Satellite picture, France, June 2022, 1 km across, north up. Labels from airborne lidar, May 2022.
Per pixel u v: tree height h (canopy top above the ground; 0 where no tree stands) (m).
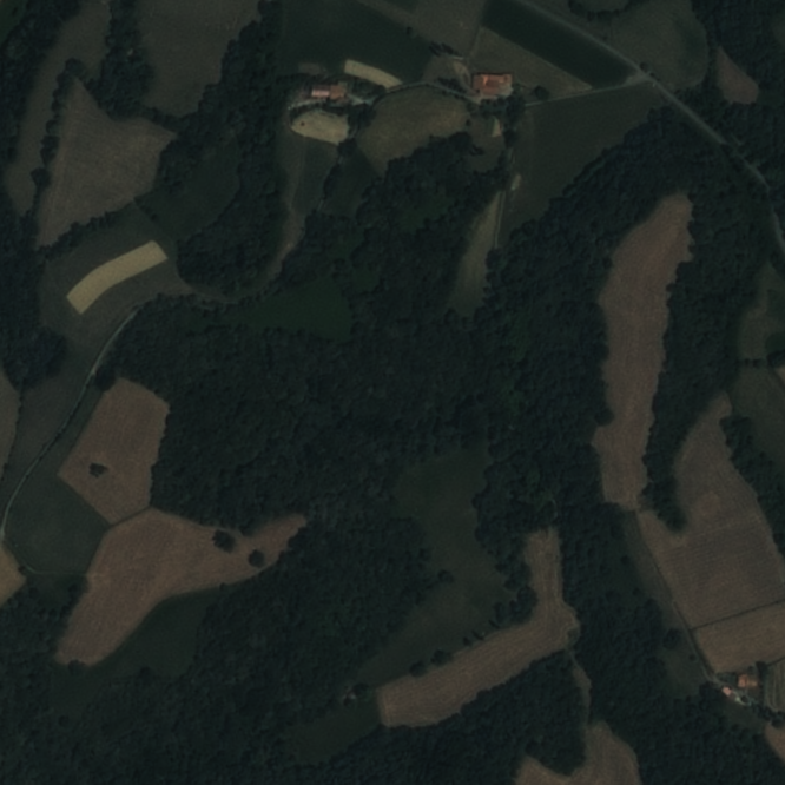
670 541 0
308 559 21
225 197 0
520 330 17
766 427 0
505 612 24
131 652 0
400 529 16
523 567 20
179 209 0
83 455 0
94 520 0
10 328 25
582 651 13
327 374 17
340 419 22
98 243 0
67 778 16
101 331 0
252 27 14
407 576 21
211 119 29
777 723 12
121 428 0
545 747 24
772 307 0
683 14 0
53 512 0
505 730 14
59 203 0
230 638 16
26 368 12
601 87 0
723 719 13
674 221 0
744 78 0
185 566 0
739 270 20
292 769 9
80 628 0
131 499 0
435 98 0
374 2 0
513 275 17
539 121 0
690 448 0
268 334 11
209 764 16
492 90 0
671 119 19
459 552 0
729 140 8
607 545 10
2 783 18
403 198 25
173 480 15
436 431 26
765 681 8
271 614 16
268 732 19
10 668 19
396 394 16
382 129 0
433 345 15
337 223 14
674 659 0
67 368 0
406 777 18
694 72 0
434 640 0
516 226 0
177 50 0
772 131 19
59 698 0
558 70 0
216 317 13
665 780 16
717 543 0
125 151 0
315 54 0
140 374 14
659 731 10
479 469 0
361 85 6
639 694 6
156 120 15
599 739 0
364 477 12
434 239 21
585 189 19
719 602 0
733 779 17
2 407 0
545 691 18
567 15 0
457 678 0
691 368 19
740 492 0
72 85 12
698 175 22
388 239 17
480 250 0
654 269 0
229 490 25
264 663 18
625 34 0
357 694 20
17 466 0
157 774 17
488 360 21
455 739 35
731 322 7
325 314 0
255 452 28
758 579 0
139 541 0
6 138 16
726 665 0
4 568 0
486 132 0
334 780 19
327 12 0
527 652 0
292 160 0
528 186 0
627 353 0
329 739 0
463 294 0
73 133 0
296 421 20
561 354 15
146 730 13
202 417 19
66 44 0
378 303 19
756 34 8
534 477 28
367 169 0
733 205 26
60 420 0
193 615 0
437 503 0
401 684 0
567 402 22
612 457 0
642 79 0
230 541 19
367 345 11
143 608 0
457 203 12
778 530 7
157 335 18
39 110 0
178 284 0
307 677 16
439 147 16
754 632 0
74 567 0
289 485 16
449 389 17
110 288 0
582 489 16
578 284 15
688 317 23
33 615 17
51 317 0
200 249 19
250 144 9
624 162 25
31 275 14
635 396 0
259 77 16
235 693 20
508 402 26
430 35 0
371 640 22
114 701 7
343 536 19
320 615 12
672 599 0
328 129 0
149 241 0
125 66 26
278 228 0
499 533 27
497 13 0
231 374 22
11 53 25
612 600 15
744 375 0
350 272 15
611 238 17
